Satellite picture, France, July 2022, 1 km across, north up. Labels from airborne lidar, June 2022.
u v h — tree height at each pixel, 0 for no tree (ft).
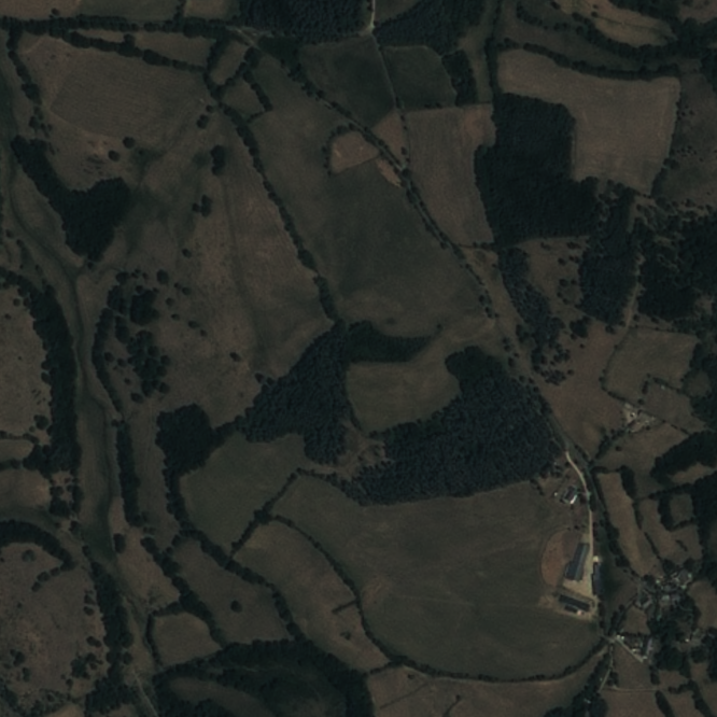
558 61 46
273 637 0
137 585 0
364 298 0
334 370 65
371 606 0
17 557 0
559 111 52
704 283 42
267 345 0
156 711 20
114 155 52
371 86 0
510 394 62
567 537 0
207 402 0
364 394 0
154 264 0
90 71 0
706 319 37
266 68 0
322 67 0
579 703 36
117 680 49
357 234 0
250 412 42
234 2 0
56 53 0
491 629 0
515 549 0
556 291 0
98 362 60
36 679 0
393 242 0
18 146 63
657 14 64
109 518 0
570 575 0
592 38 47
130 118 0
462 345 0
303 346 0
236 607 47
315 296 0
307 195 0
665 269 35
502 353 0
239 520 0
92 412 0
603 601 35
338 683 54
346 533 0
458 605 0
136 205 0
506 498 0
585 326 48
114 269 0
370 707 49
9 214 0
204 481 0
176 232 0
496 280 0
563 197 46
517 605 0
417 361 0
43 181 68
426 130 0
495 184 48
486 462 75
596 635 0
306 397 66
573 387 0
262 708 0
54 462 38
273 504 24
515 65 0
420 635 0
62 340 61
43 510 0
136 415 0
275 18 65
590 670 0
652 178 0
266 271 0
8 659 0
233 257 0
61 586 0
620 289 60
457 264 0
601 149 0
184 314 0
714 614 0
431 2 40
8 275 30
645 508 0
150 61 55
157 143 0
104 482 0
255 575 41
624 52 39
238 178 0
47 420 32
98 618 0
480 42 0
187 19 34
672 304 50
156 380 37
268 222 0
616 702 0
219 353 0
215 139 0
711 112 0
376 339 22
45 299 58
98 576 70
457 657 0
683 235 44
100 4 0
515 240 37
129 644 51
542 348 46
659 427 0
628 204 24
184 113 0
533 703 0
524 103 50
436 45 45
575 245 50
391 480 59
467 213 0
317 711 0
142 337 40
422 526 0
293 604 0
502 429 63
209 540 41
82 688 0
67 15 0
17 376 0
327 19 76
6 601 0
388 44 45
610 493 0
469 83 26
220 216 0
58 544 53
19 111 0
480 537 0
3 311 0
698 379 0
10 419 0
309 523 0
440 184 0
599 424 0
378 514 0
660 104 0
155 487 0
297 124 0
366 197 0
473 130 0
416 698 0
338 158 0
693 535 0
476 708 0
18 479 0
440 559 0
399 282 0
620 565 40
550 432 52
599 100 0
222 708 32
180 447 65
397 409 0
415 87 0
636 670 0
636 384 0
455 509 0
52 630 0
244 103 0
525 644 0
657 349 0
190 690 0
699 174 0
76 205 62
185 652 0
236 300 0
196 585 0
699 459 40
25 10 0
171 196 0
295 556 0
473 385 33
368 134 23
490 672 0
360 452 0
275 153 0
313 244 0
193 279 0
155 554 45
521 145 64
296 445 0
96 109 0
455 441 69
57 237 0
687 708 0
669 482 41
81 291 0
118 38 0
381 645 38
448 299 0
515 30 0
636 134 0
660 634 26
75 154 0
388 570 0
